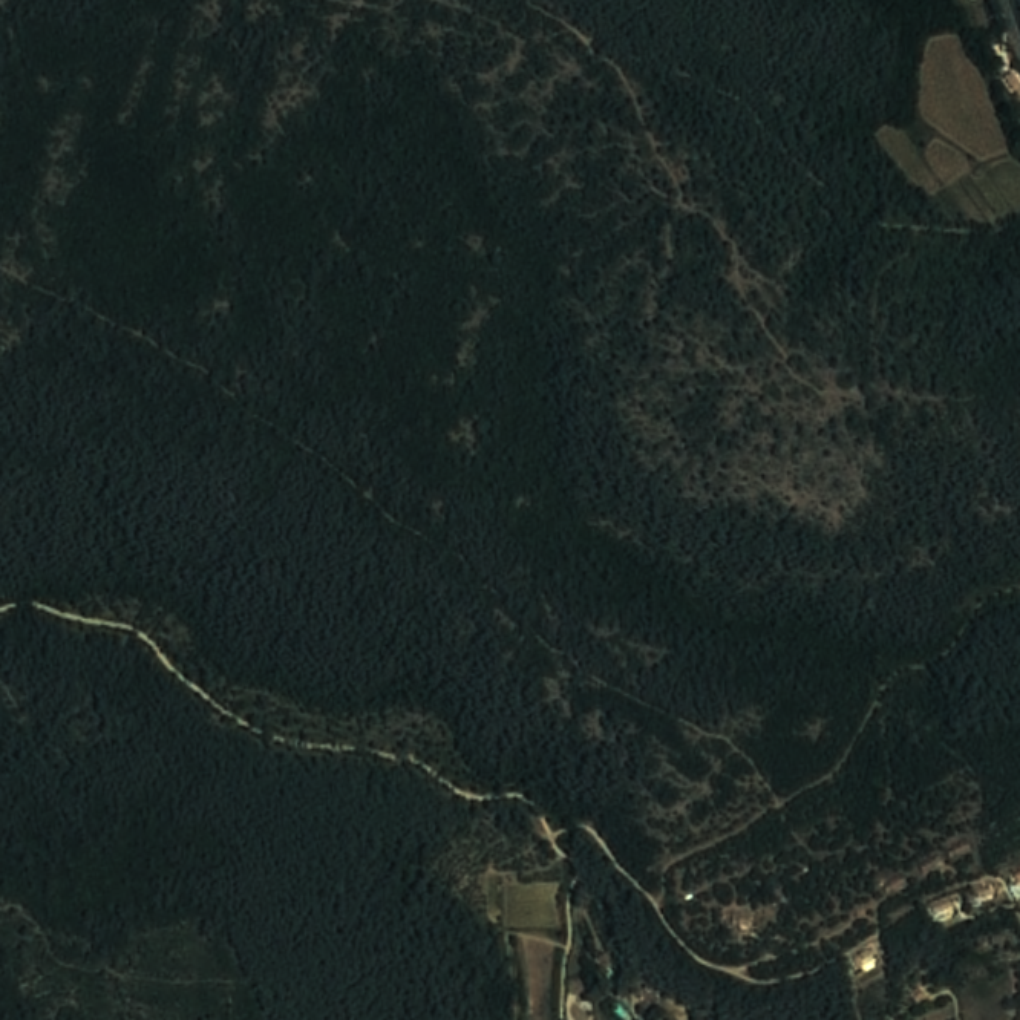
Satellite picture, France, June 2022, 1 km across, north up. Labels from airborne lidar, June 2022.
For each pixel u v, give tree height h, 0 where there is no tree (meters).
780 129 13
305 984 23
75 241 7
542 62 7
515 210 8
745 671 10
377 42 8
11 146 6
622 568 10
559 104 6
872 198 19
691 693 16
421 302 7
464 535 12
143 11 6
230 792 16
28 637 7
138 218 8
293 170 7
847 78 17
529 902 0
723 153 18
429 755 9
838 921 6
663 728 5
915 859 7
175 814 15
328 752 6
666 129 13
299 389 16
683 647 18
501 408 14
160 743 16
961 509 16
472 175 11
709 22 15
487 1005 7
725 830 6
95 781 20
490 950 19
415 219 7
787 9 19
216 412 7
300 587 18
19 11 13
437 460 10
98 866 7
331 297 8
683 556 14
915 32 10
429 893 20
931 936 17
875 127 12
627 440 13
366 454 15
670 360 15
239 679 14
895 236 8
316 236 6
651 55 23
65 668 18
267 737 15
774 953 7
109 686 19
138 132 9
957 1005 0
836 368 17
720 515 15
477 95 7
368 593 16
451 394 14
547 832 0
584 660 13
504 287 11
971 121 0
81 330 5
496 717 21
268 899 21
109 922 13
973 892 7
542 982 0
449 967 23
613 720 17
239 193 9
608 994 23
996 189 0
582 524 6
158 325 10
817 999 18
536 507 10
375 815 21
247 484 15
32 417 7
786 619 15
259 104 5
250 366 6
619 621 14
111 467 18
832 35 21
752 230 13
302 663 20
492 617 15
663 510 18
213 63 6
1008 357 7
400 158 8
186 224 8
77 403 18
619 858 8
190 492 16
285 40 14
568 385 19
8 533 19
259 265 7
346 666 19
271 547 17
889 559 14
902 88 10
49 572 18
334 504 18
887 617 16
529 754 20
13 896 7
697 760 6
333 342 8
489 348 8
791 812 8
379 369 7
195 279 10
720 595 14
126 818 16
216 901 12
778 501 8
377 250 7
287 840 20
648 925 18
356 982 22
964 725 19
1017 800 7
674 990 22
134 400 17
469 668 6
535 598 11
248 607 18
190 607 9
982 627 16
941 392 15
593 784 18
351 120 9
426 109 8
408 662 22
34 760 21
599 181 8
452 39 7
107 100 7
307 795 21
